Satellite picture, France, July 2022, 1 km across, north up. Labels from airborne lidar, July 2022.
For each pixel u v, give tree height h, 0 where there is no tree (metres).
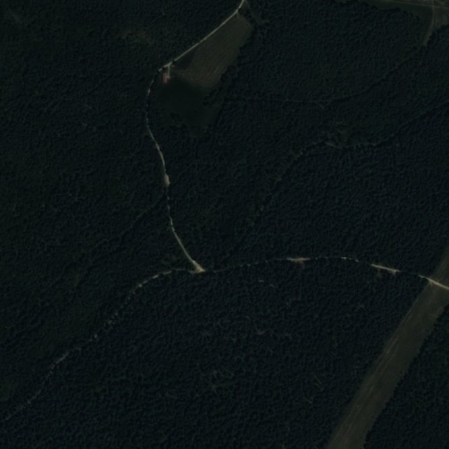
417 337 0
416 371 12
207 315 22
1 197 19
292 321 22
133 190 22
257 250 23
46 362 10
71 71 23
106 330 21
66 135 19
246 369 24
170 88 0
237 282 11
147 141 21
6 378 15
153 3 19
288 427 19
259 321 17
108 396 17
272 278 18
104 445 15
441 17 0
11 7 12
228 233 17
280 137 18
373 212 16
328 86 18
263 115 17
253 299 19
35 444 17
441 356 10
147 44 8
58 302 6
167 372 13
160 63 8
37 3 18
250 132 15
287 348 20
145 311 16
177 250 17
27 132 20
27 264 22
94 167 22
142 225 13
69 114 18
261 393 13
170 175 19
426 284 17
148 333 17
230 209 14
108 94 16
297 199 16
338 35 19
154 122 20
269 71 20
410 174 20
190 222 17
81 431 18
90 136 21
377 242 20
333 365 14
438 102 25
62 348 15
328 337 18
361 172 22
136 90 14
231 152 21
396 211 22
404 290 19
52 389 15
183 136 23
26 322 14
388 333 23
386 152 17
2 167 22
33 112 18
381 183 24
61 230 15
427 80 19
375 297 22
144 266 16
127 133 21
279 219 13
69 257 19
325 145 20
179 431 18
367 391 0
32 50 8
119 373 19
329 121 15
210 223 7
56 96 26
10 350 19
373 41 19
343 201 21
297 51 19
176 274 14
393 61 17
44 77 15
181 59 0
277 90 15
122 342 19
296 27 18
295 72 16
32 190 19
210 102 13
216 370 21
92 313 9
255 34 18
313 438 19
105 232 20
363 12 17
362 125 11
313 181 18
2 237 19
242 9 7
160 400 14
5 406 13
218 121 12
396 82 20
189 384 18
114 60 20
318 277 21
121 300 15
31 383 18
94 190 22
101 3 17
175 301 21
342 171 18
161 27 10
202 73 0
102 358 12
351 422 0
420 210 23
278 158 21
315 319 20
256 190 22
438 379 8
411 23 17
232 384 6
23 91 15
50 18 15
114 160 18
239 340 22
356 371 17
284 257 22
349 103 17
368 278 18
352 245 11
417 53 8
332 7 20
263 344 22
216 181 10
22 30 7
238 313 11
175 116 21
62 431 24
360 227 21
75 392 16
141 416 22
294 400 14
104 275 16
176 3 20
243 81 14
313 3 18
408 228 23
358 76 19
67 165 21
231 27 0
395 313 22
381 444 18
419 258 21
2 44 18
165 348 20
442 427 20
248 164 13
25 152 22
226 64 0
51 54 10
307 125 19
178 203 12
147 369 25
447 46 21
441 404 18
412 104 22
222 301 18
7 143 22
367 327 19
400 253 21
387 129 17
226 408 12
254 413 18
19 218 23
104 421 23
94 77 20
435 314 0
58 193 24
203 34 12
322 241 17
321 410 21
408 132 19
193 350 17
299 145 15
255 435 12
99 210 22
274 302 20
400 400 11
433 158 21
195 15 15
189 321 24
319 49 17
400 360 0
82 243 15
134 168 16
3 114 14
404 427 14
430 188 13
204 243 17
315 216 19
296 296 21
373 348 21
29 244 16
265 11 13
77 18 18
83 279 8
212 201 23
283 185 20
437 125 22
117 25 15
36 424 19
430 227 19
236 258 23
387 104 17
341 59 16
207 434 23
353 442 0
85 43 16
